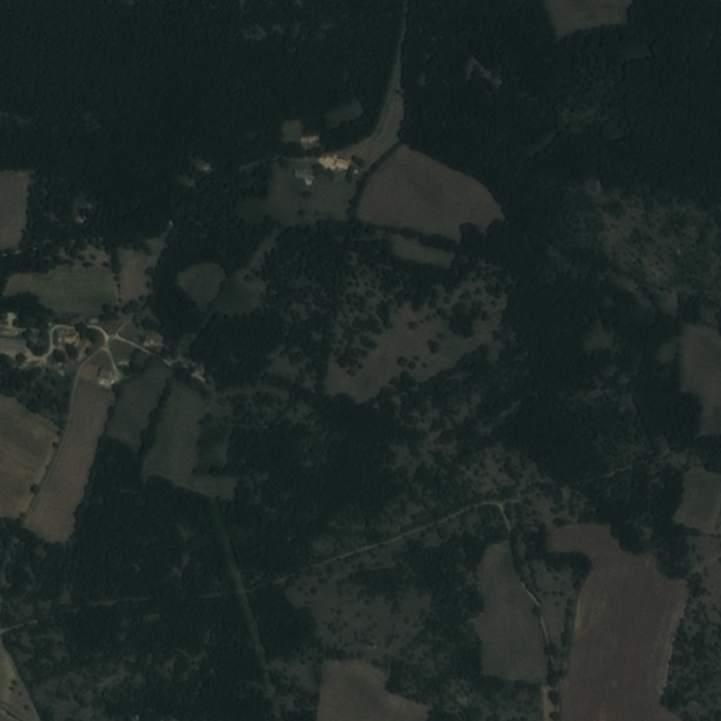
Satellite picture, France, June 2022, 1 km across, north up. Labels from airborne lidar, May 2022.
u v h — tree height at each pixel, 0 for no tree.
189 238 12
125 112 12
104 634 13
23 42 9
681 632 8
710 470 11
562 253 7
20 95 10
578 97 7
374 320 11
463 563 8
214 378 8
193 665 7
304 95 14
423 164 0
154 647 8
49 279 0
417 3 14
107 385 0
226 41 9
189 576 10
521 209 12
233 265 16
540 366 17
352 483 12
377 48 13
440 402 10
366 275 9
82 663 8
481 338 0
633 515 7
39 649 6
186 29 10
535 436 15
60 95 11
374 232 15
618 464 7
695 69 11
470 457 8
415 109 10
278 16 11
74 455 0
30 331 7
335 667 0
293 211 0
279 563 13
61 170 12
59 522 0
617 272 6
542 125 15
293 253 12
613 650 0
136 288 0
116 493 10
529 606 0
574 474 11
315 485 8
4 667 0
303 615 8
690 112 15
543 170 11
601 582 0
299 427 8
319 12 9
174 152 14
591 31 7
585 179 12
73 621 10
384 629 0
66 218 14
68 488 0
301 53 10
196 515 11
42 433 0
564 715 0
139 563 9
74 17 9
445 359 0
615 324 6
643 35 20
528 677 0
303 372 9
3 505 0
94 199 14
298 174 0
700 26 12
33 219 14
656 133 10
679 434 8
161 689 5
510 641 0
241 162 12
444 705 7
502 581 0
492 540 9
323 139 13
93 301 0
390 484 9
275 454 12
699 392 0
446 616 6
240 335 13
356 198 7
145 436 13
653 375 9
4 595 9
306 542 11
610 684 0
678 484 9
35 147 12
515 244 10
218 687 14
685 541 8
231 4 7
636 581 0
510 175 7
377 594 6
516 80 10
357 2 10
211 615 8
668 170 11
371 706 0
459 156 11
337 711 0
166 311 7
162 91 12
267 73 13
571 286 11
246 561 14
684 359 0
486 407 8
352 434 11
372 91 12
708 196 8
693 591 6
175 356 11
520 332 14
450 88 10
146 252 8
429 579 9
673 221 6
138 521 12
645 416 13
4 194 0
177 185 13
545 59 15
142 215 13
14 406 0
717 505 0
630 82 16
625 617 0
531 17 15
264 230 13
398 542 0
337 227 13
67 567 9
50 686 0
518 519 8
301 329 12
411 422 9
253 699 10
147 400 0
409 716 0
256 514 10
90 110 9
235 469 10
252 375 7
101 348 0
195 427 0
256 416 6
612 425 0
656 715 0
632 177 8
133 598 10
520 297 13
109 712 8
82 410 0
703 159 15
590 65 14
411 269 12
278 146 13
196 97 12
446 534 7
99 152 15
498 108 15
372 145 0
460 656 5
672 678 7
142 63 7
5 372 8
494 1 16
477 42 15
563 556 10
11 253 8
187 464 0
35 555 9
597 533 0
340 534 6
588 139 11
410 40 12
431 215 0
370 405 8
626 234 0
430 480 9
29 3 9
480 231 11
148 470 0
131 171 15
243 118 13
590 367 12
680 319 8
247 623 9
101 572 10
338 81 11
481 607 8
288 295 13
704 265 10
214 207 15
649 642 0
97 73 11
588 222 8
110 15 10
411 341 0
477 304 7
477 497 8
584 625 0
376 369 0
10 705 0
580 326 11
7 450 0
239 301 0
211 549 12
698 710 0
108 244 11
